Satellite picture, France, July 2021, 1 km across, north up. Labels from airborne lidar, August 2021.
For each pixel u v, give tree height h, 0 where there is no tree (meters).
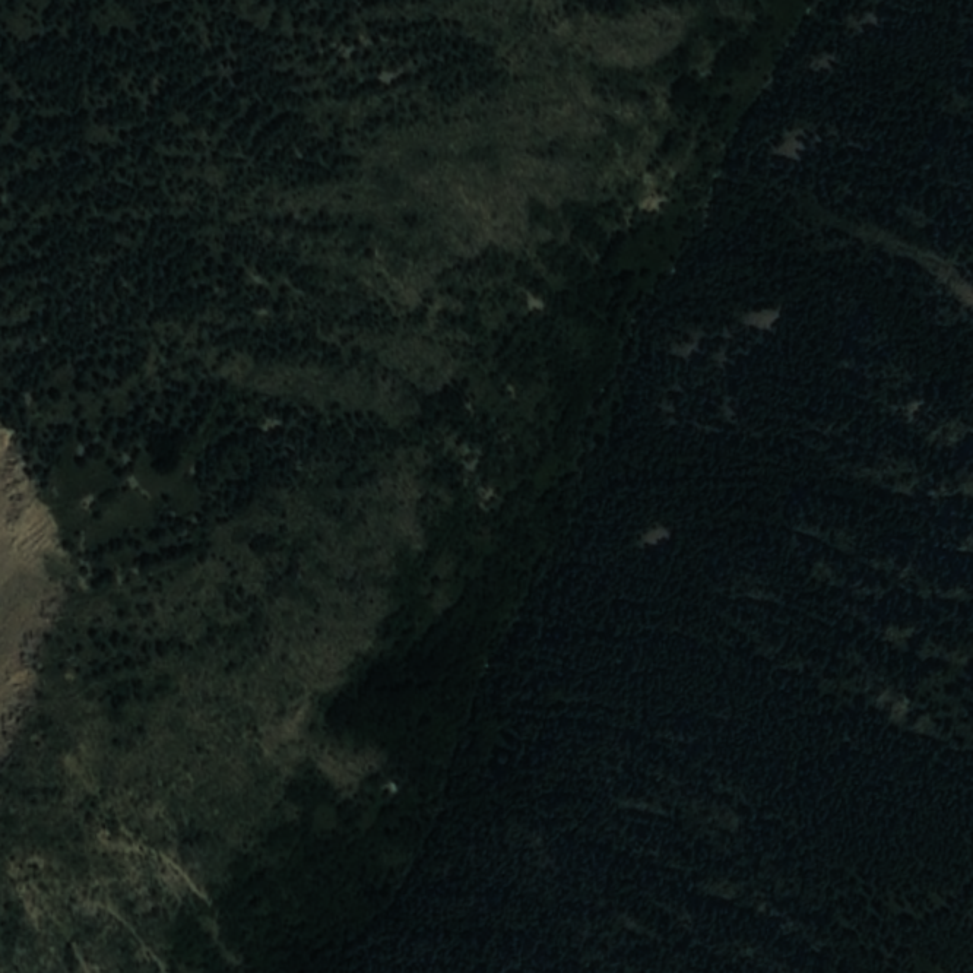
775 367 15
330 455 15
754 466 13
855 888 15
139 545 17
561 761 18
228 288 14
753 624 10
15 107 20
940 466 15
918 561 8
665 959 16
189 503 0
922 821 22
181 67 15
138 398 18
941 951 27
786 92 20
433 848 21
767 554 25
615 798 7
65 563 0
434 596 8
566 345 18
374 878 8
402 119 7
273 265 17
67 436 18
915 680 13
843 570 11
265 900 15
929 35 28
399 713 22
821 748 23
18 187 20
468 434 16
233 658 7
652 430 18
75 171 23
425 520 10
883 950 13
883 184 6
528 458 10
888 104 15
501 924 10
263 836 9
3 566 0
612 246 11
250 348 15
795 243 10
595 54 9
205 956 9
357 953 18
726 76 13
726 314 17
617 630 19
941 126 10
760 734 21
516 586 13
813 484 15
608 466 11
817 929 13
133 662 13
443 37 10
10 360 12
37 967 7
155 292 20
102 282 14
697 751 7
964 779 13
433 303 13
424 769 25
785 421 17
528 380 12
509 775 29
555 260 7
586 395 18
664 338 18
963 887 21
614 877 26
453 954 15
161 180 10
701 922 11
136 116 18
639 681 25
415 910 7
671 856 18
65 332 22
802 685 15
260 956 9
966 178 11
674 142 19
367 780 8
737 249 7
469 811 13
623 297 17
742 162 23
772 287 9
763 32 11
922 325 9
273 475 17
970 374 6
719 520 20
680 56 14
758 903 9
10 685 0
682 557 19
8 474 0
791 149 0
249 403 17
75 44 21
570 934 10
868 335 9
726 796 8
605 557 13
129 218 11
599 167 7
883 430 19
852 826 17
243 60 13
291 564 6
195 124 15
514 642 14
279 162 15
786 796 13
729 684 22
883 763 17
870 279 12
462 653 19
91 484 0
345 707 18
